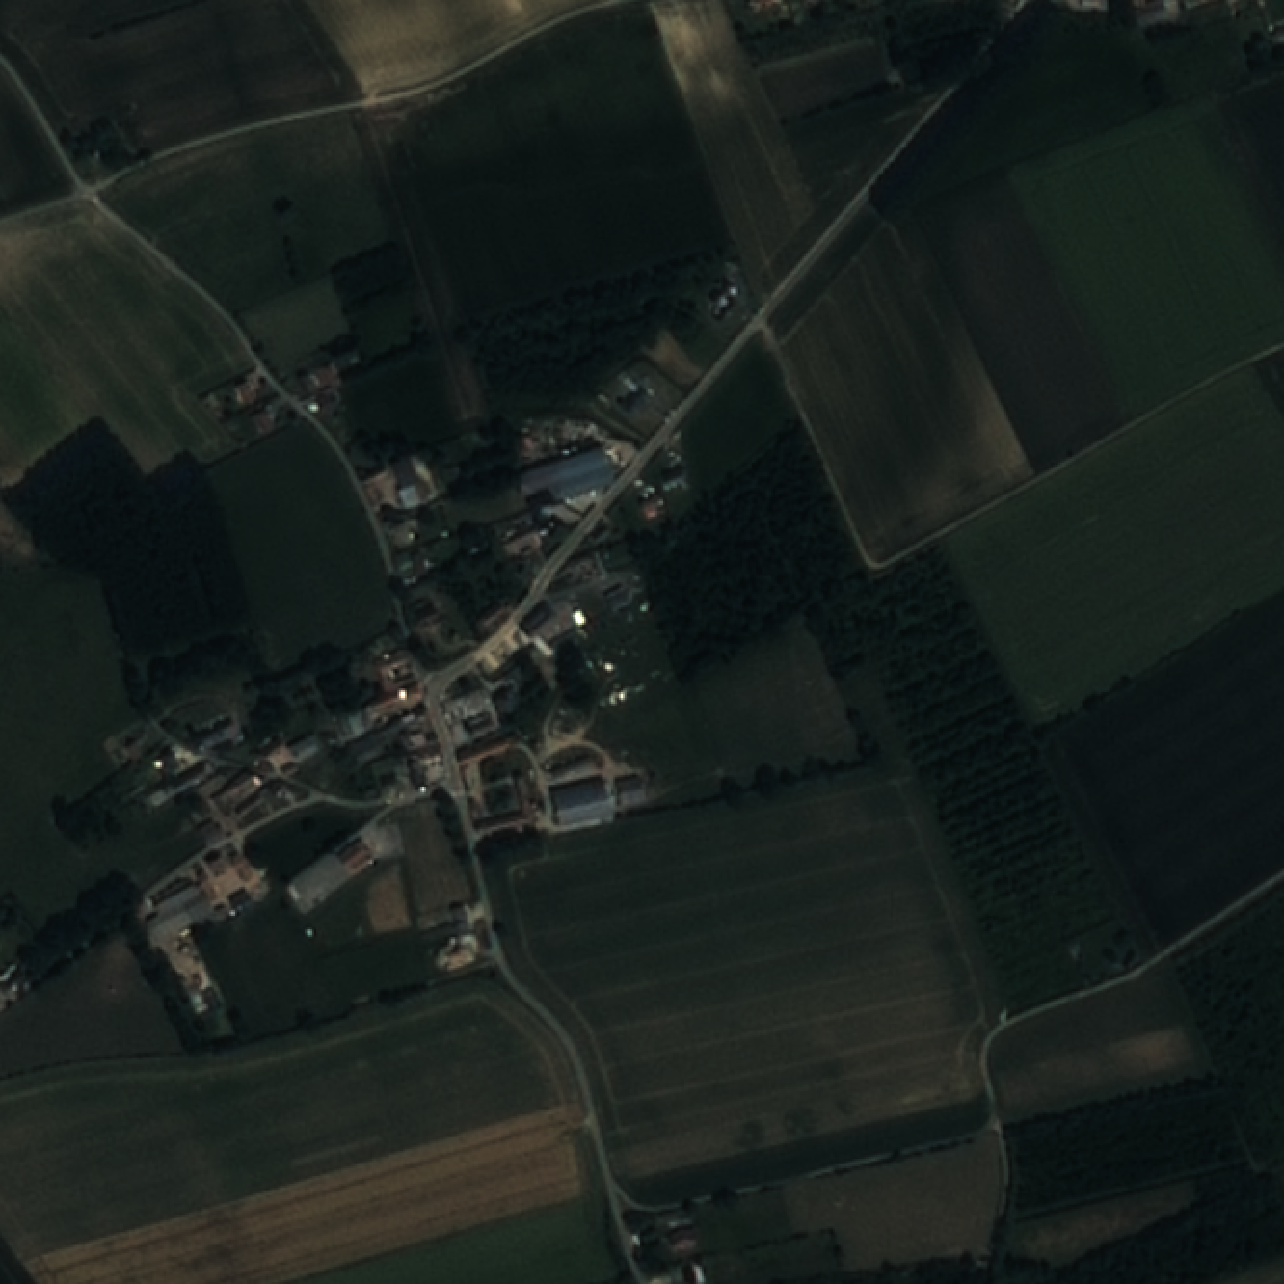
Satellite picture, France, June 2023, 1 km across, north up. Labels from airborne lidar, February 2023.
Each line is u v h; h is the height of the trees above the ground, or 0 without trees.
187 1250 0
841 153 0
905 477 0
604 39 0
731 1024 0
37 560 0
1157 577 0
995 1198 0
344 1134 0
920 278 0
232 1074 0
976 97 27
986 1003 0
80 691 0
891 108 0
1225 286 0
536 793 0
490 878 0
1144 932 0
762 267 0
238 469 0
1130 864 0
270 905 0
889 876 0
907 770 0
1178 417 0
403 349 7
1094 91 0
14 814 0
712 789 0
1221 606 0
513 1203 0
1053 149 0
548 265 0
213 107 0
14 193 0
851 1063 0
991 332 0
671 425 0
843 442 0
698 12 0
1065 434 0
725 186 0
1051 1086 0
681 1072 0
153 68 0
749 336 0
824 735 0
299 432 0
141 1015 0
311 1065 0
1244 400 0
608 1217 5
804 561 14
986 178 0
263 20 0
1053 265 0
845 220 0
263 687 13
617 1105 0
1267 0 0
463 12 0
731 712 0
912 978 0
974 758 9
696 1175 0
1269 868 0
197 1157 0
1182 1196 0
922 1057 0
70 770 0
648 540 12
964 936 0
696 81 0
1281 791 0
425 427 0
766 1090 0
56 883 0
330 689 19
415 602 0
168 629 31
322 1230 0
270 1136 0
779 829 0
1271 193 0
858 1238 0
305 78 0
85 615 0
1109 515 0
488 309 0
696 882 0
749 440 0
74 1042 0
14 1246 0
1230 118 0
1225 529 0
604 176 0
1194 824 0
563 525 13
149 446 0
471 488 19
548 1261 0
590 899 0
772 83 0
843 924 0
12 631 0
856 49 0
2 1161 0
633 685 0
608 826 0
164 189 0
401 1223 0
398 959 0
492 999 0
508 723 9
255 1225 0
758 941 0
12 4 0
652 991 0
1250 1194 15
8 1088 0
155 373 0
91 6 0
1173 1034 0
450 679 0
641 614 0
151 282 0
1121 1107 9
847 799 0
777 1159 0
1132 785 0
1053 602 0
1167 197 0
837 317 0
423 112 0
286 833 0
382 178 0
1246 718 0
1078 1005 0
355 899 0
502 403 0
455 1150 0
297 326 0
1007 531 0
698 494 0
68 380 0
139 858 0
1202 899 0
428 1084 0
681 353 0
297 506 0
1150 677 0
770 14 0
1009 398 0
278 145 0
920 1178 0
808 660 0
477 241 0
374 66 0
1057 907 0
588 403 0
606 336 14
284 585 0
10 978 0
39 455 0
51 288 0
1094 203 0
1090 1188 8
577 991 0
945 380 0
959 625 8
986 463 0
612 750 0
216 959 0
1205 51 0
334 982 0
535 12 0
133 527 31
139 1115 0
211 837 0
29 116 0
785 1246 0
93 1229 0
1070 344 0
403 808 0
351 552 0
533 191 0
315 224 0
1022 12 0
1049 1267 10
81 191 0
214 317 0
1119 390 0
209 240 0
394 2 0
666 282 12
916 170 27
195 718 0
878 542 0
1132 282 0
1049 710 0
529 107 0
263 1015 0
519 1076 0
